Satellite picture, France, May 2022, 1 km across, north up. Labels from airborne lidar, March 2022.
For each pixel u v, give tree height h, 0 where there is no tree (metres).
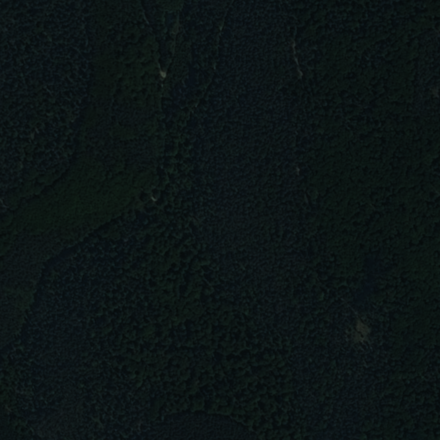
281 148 26
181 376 34
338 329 32
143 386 30
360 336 0
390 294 30
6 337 26
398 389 27
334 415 27
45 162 32
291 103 34
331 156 30
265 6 27
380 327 29
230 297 25
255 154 27
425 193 29
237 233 30
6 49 35
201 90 36
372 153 27
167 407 28
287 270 16
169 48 19
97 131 28
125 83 24
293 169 28
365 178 27
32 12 34
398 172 24
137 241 34
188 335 29
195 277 35
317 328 31
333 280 29
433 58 24
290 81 8
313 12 31
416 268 27
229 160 24
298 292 27
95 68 23
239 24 28
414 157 26
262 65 24
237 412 29
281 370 39
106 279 33
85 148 29
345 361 34
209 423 30
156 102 22
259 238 27
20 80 36
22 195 29
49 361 34
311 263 29
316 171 30
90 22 24
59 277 34
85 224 25
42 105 18
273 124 29
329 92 27
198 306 34
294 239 20
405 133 26
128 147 27
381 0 28
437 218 28
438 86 25
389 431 28
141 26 33
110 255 23
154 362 34
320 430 26
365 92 29
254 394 34
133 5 20
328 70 31
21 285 28
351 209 26
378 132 28
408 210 27
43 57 36
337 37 30
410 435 26
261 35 29
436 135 21
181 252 13
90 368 28
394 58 29
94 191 28
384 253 28
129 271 30
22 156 15
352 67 29
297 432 34
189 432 28
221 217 25
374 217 27
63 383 22
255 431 31
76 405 25
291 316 28
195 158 29
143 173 27
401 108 27
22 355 34
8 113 22
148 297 34
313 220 28
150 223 34
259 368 38
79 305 29
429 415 26
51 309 33
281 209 13
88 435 15
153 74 16
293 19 28
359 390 32
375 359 24
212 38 28
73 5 29
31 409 15
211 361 32
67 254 41
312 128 29
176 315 36
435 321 28
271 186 27
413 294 30
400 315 29
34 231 26
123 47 28
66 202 25
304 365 25
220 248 33
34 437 11
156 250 27
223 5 18
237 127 29
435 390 23
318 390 27
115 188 26
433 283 29
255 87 28
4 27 28
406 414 28
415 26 28
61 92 12
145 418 12
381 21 30
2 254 25
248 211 23
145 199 23
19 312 30
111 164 26
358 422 29
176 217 27
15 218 25
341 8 25
